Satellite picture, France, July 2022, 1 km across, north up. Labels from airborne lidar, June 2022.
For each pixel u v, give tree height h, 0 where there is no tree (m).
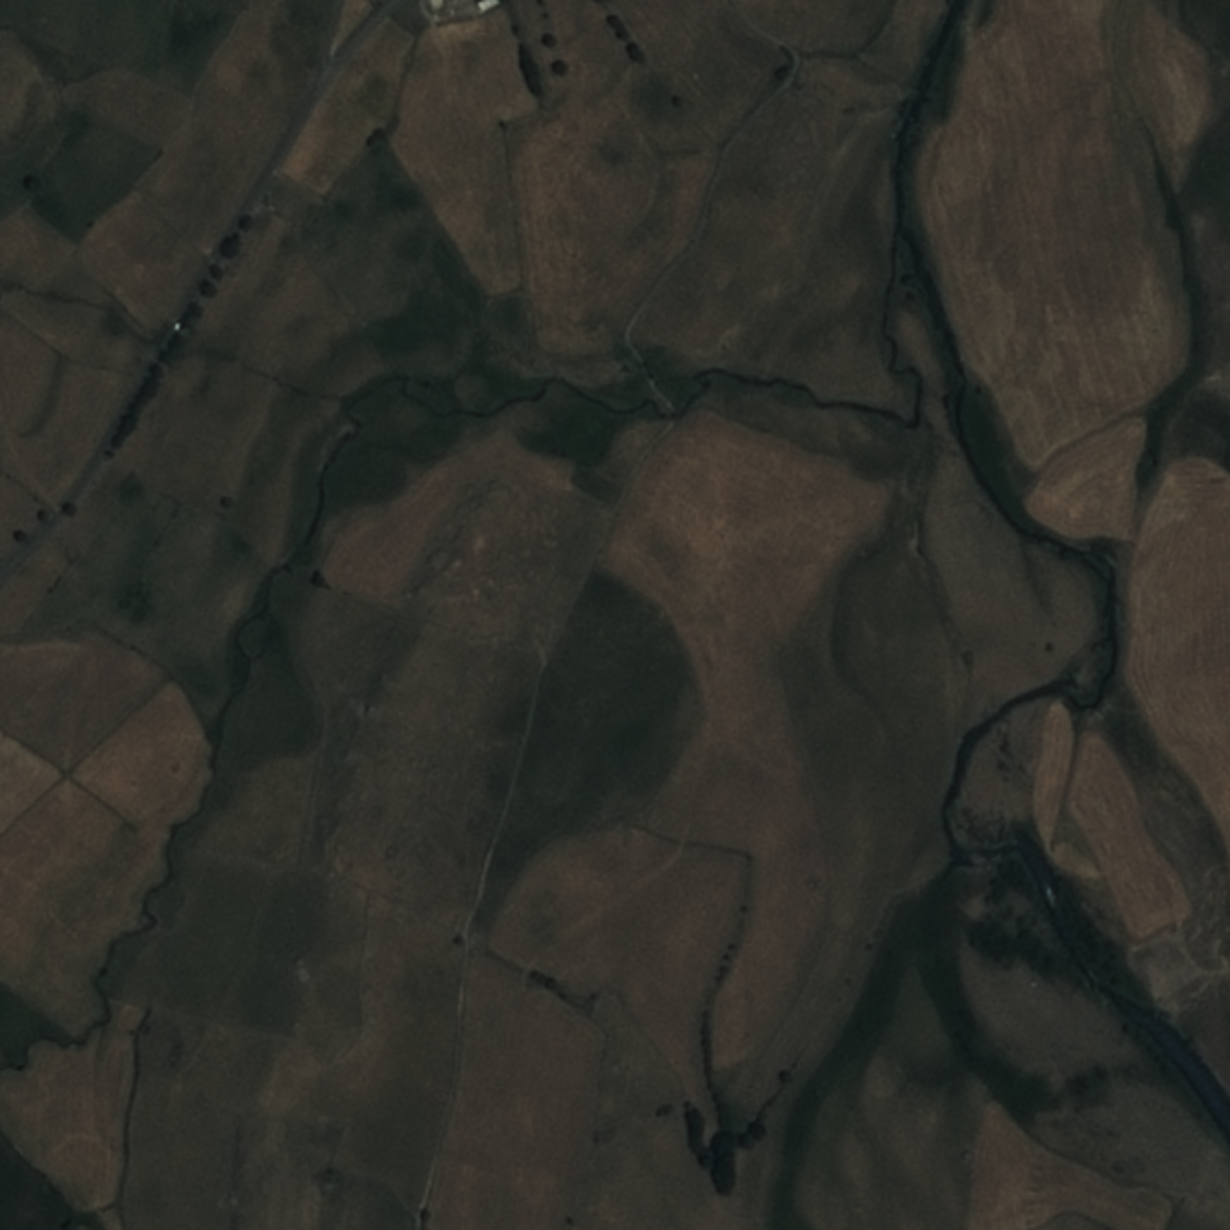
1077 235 0
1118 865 0
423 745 0
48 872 0
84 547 0
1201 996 0
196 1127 0
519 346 0
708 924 0
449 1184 0
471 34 0
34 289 0
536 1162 0
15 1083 0
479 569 0
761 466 0
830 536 0
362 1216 0
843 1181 0
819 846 0
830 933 0
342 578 0
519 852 0
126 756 0
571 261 0
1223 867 0
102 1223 0
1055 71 0
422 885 0
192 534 0
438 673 0
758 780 0
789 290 0
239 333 0
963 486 0
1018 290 0
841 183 0
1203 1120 0
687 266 0
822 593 0
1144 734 0
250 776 0
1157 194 0
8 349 0
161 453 0
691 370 0
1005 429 0
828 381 0
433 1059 0
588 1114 0
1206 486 0
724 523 0
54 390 0
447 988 0
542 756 0
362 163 0
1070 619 0
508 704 0
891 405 0
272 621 0
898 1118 0
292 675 0
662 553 0
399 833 0
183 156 0
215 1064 0
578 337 0
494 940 0
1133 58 0
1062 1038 0
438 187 0
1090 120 0
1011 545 0
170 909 0
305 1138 0
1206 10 0
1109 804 0
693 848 0
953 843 0
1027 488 0
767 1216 0
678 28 0
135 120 0
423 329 0
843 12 0
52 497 0
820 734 0
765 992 0
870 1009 0
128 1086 0
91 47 0
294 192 0
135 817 0
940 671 0
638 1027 0
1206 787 0
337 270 0
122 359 0
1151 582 0
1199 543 0
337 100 0
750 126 0
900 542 0
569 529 0
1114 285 0
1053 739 0
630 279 0
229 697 0
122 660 0
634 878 0
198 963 0
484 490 0
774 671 0
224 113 0
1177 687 0
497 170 0
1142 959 0
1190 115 0
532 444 0
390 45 0
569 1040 0
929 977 0
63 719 0
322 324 0
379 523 0
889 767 0
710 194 0
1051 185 0
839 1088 0
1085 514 0
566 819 0
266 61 0
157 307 0
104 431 0
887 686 0
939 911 0
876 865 0
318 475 0
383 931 0
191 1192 0
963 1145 0
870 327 0
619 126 0
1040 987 0
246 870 0
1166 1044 0
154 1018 0
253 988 0
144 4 0
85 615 0
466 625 0
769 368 0
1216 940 0
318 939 0
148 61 0
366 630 0
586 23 0
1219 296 0
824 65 0
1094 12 0
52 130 0
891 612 0
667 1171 0
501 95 0
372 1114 0
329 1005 0
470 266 0
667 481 0
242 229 10
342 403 0
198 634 0
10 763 0
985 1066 0
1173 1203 0
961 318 0
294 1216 0
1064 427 0
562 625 0
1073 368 0
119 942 0
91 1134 0
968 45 0
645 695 0
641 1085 0
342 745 0
